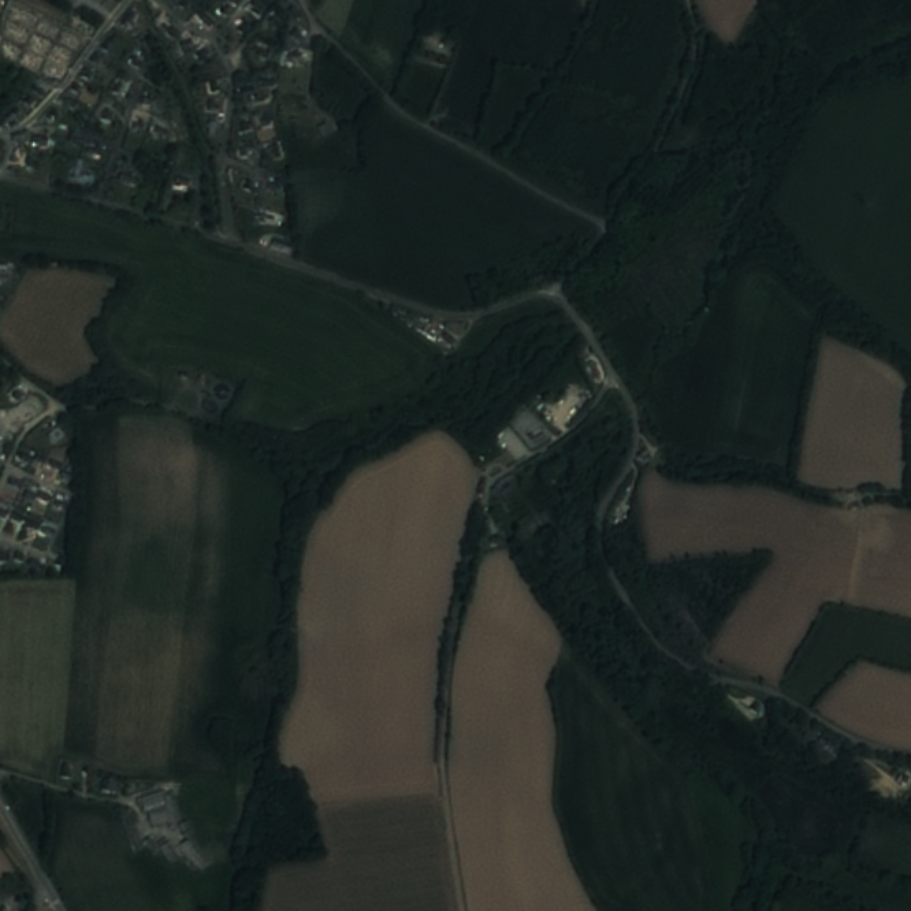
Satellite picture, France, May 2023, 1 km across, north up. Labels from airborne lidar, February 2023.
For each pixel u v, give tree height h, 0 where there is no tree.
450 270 0
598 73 7
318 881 0
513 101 0
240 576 0
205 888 0
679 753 11
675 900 0
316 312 0
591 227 0
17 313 0
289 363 0
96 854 0
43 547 0
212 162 8
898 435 0
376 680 0
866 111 0
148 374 0
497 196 0
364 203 0
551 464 15
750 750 0
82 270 10
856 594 0
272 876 0
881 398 0
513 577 0
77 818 0
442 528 0
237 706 0
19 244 0
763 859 16
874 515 0
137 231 0
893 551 0
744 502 0
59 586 0
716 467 8
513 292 5
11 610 0
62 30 0
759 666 0
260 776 13
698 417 0
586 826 0
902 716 0
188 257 0
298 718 0
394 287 0
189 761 0
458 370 8
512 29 0
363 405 0
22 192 0
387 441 13
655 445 0
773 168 17
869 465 0
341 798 0
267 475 0
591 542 17
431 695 0
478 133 8
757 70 18
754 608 0
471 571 11
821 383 0
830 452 0
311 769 0
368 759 0
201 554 0
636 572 7
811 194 0
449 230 0
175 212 9
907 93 0
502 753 0
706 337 0
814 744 8
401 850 0
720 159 29
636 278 0
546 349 9
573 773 0
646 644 18
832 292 16
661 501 0
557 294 0
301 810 13
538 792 0
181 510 0
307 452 8
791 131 14
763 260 11
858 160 0
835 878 0
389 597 0
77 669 0
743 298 0
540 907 0
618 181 10
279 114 9
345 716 0
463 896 0
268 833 15
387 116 0
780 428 0
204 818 0
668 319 0
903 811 7
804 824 0
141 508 0
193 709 0
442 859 0
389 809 0
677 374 0
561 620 7
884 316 0
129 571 0
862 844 9
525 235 0
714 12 0
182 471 0
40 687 0
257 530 0
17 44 0
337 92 0
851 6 0
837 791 11
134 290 0
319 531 0
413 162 0
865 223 0
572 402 0
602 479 8
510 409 11
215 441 0
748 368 0
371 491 0
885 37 0
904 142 0
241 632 0
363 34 0
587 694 0
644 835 0
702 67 13
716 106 17
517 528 15
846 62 0
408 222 0
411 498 0
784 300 0
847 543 0
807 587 0
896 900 0
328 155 0
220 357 0
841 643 0
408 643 0
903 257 0
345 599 0
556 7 0
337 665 0
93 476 0
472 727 0
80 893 0
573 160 8
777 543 0
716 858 0
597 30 7
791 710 13
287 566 19
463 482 0
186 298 0
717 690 18
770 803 0
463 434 6
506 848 0
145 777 0
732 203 24
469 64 0
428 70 0
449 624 13
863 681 0
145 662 0
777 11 16
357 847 0
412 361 0
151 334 0
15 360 6
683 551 0
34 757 0
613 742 0
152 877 0
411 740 0
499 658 0
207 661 0
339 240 0
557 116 7
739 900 13
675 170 22
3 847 10
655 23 6
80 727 0
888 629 0
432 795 0
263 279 0
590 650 15
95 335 9
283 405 0
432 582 0
